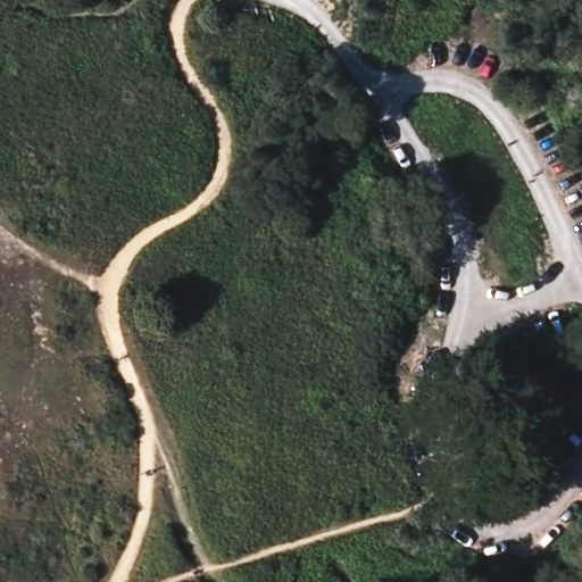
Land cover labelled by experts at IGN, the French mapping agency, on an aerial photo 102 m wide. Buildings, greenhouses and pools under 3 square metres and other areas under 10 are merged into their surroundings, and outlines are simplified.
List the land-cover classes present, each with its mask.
<instances>
[{"label":"herbaceous vegetation","instance_id":"1","mask_svg":"<svg viewBox=\"0 0 582 582\"><path fill-rule=\"evenodd\" d=\"M230 34V25L214 14V0H198L186 16L184 41L193 68L198 70L202 82L214 91L230 123L232 161L227 171V182L216 196V200H211V205H207L186 223L150 241L134 257L130 273L118 291L123 341L130 361L146 389L159 443L166 448L177 471L180 489L193 527L202 539V548L207 550L209 562L218 564L334 525L396 512L418 502L409 482V464L418 462L427 450L418 443L423 434L405 407L407 402H402L400 398L398 366L418 336L421 321L427 316V311L437 309L430 300V284L434 273L430 264L423 259L411 268L409 259L398 255L396 248L375 250L371 223L366 227H359L355 223H348L339 214H332L318 236H307L309 221L305 216L296 214L293 218L277 221L268 218L261 209L252 211L246 205L259 184L252 175V161L259 155L257 148L266 146L271 130L266 125V111L277 98L280 84L275 75L261 70L257 64L248 68H234L232 75L221 77L216 82V70L209 66V61L221 59L216 55L218 43H223ZM157 298L168 302L173 311L171 332L159 330L155 323ZM157 30L148 20L134 16L132 11L123 16H50L39 7L25 5H0V223L27 243L43 250L45 255L55 257L57 261L84 271L89 275H102L111 259L123 250V246L132 236L193 202L214 177L218 164L216 116L214 109L198 93V89L189 82L186 86H182L164 68V57L171 50L152 45ZM418 139L430 150V161H439V182L441 189L448 191L450 205L457 202L462 214L473 223L471 236L475 239V250H480L477 266L482 280L498 277L500 284H509L516 291L521 286H532L539 275L537 257L546 252V241L548 230L543 216L523 180V173L518 171L516 161L512 159L505 141L491 125V120L475 105L450 93L425 91L423 95H418L407 118ZM59 275L57 271L32 259L30 264H23V266H5V264H0V582H57L64 575L61 559L64 555H68V527H64V516L80 514V507H89L95 514L105 512V489H116L120 496L139 498V446L130 450L111 439L102 443L95 427L84 418L86 414L100 416L107 411V386L102 382L91 380L84 373L82 359L105 357L109 352L100 323L84 336V346L73 348L66 355H59L55 350L43 352L39 348V336L32 327V311L30 300H43L45 286ZM498 336L496 350L500 364V380L507 386L525 389V393L532 398L550 400L557 411V418L566 421L571 430L575 425H582V366L568 361V348L564 341L566 330L562 327L555 332L550 318L541 311H534L523 314L512 323L491 330ZM152 514L127 582H155L168 575L184 573L191 566H198V557L189 543L184 525L177 518L166 471L164 466H155ZM407 523L405 518L377 523L357 532L316 541L298 550L305 559L300 582H384V577L391 575L437 573L443 564L459 559L464 548L462 543H455L437 546L432 539L409 541L402 534V525Z\"/></svg>","mask_w":582,"mask_h":582},{"label":"brushwood","instance_id":"2","mask_svg":"<svg viewBox=\"0 0 582 582\"><path fill-rule=\"evenodd\" d=\"M100 2L116 9L125 5V0H0V5H25L39 7L50 16H70V11L89 9ZM180 0H136L132 11L134 16L148 20L157 30L152 45L171 50L164 57V68L182 86H186L189 82L177 61L171 34V18ZM334 7L332 20L339 25L343 39L357 50L375 55L386 64L407 68H411V64L418 57H434L432 45L437 41L446 43L448 39H459V43L471 45V18L475 9L473 0H330ZM216 55L221 59L209 61V66L216 70V82L221 77L232 75L234 68H248L257 64L261 70L275 75L280 84L277 98L266 111V125L271 130L266 146L257 148L259 155L252 161V175L259 184L246 205L252 211L261 209L268 218L277 221L293 218L296 214L305 216L309 221L307 236H318L332 214H339L348 223H355L359 227H366L371 223L375 250L396 248L398 255L409 259L411 268L423 259L430 264L432 250L441 248V234H448V223H452L450 205L448 191L441 189L439 182L416 175L409 180L407 189H400L396 180L380 177L366 157L355 155L352 143H359L366 127L382 118V109L375 95H366V91L359 86H350L348 75L341 77V70L334 66V57L330 52L318 55L309 41L298 39V34L277 30L268 23L252 20L248 16H239L230 25V34L223 43H218ZM100 293L86 289L77 280L59 275L45 286L43 300H30L32 311H41V323L48 327V339L55 350L59 355H66L73 348L84 346V336L100 323ZM155 323L159 330L171 332L173 311L168 302L157 298ZM555 332L562 327L566 330L575 321L582 323V302H566L564 309H559V316L550 318ZM498 336L491 330L482 332L468 348H446L430 350L423 359V368L418 375L427 382L434 380V375L446 377V368H455V375H462V371L473 373V364L480 359V352H484L487 348L496 350ZM84 373L91 380L102 382L107 386V411L100 416L86 414L84 418L95 427L102 443L111 439L130 450L139 446L143 427L139 409L132 400L134 393L132 386L123 380L116 359L109 352L105 357L82 359ZM441 459V455L427 450L418 462L409 464V482L418 502L423 509L405 518L407 523L402 525V534L409 541L432 539L437 546L455 543L450 539V530L464 525L466 516L455 507L446 505L437 493V487L427 480V466ZM139 514V498L120 496L116 489H105V512L95 514L89 507H80V514L64 516V527H68V555H64L61 559L64 575L57 582H107L114 568L118 566L120 555L132 537ZM489 555L464 548L459 559L443 564L437 573L441 582H484L475 577V573ZM305 559L298 550L280 552L252 564L214 573L211 577L216 582H300Z\"/></svg>","mask_w":582,"mask_h":582},{"label":"deciduous trees","instance_id":"3","mask_svg":"<svg viewBox=\"0 0 582 582\"><path fill-rule=\"evenodd\" d=\"M475 9L471 18V45H482L500 57L498 73H489L487 86L491 95L498 102H502L514 116L521 114L527 118L532 114H543L552 125L550 136L543 139L555 146V157L550 161L566 168L571 175L575 173L582 177V0H473ZM564 341L568 348V361L582 366V323L575 321L566 330ZM480 359L473 364V373L462 371V375H455V368H446V377L434 375V380L427 382L418 375L416 391L407 402L405 407L423 434L418 443L427 450L441 455V459L427 466V480L437 487V493L446 505L455 507L466 516L464 525H471L477 532L484 525L514 523L527 516L530 512L548 507L552 500H557L564 493L559 484L571 471V430L566 421L557 418V411L550 400L532 398L525 393V389L507 386L500 380V364L496 350L487 348L484 352H480ZM562 537L550 539L548 543L552 550L559 552V557L550 566L543 564L537 571L532 564L502 562L498 555H489L475 573V577L484 582H582V500L568 507V521L559 525ZM384 582H441L437 573L391 575L384 577Z\"/></svg>","mask_w":582,"mask_h":582},{"label":"pervious surface","instance_id":"4","mask_svg":"<svg viewBox=\"0 0 582 582\"><path fill-rule=\"evenodd\" d=\"M136 0H125V5L116 9L100 2L89 9L70 11V16H123L132 11ZM198 0H180L171 18V34L177 61L189 82L198 89V93L214 109L216 116L218 164L214 177L193 202L132 236L123 246V250L111 259L102 275H89L84 271L57 261L55 257L45 255L43 250L27 243L0 223V255H2V257H11V255H16V252L20 250V252L30 255L32 259L57 271L59 275L77 280L86 289L100 293V323L109 352L116 359L123 380L132 386L134 393L132 400L139 409L143 427L139 446V514L132 537L120 555L118 566L114 568L107 582H127L152 514L155 466H164L166 471L177 518L184 525L189 543L198 557V566H191L184 573L168 575L155 582H216L211 577L214 573L252 564L280 552L298 550L316 541L357 532L377 523L405 518L423 509L418 502L396 512L334 525L218 564L209 562L207 550L202 548V539L193 527L180 489L177 471L166 448L159 443L146 389L130 361L123 341L118 291L130 273L134 257L150 241L186 223L207 205H211V200H216V196L227 182V171L232 161L230 123L214 91L202 82L198 70L193 68L184 41L186 16ZM434 57V61L446 70L457 68L462 75L480 80L487 86L489 73H498L500 57L482 45H471L459 43V39H448L446 43L437 41L432 45ZM516 123L525 125L530 134L539 141V148L534 150L539 159V171L548 177L559 207L568 216H573L582 246V177L575 173L571 175L566 168L550 161L555 157V146L543 139L550 136L552 125L543 114H532L527 118L521 114L514 116ZM434 273L430 284V300L437 309L427 311V316L421 321L418 336L398 366L400 398L402 402H407L416 391L418 375L423 368V359L430 350L446 348L448 318L455 305L457 275L462 271L452 261V239L448 234H441V248L432 250L430 264ZM552 264H557L550 243L546 241V252L537 257L539 275L548 271ZM571 471L559 484L564 493L557 500H552L548 507L530 512L527 516L514 523L484 525L477 532L471 525H464L450 530V539L455 543H462L464 548L489 555H498L502 562L532 564L537 571L543 564L550 566L559 557V552L552 550L548 543L550 539L562 537L559 525L568 521V507L582 500V425H575L571 430Z\"/></svg>","mask_w":582,"mask_h":582},{"label":"impervious surface","instance_id":"5","mask_svg":"<svg viewBox=\"0 0 582 582\"><path fill-rule=\"evenodd\" d=\"M334 7L330 0H214V14L230 25L239 16H248L252 20L268 23L277 30L298 34V39L309 41L318 55L330 52L334 57V66L341 70V77L348 75L350 86H359L366 91V95H375L382 109V118L366 127L359 143H352L355 155L366 157L380 177L396 180L400 189H407L409 180L416 175L439 182V161H430V150L418 139L407 118L418 95H423L425 91L450 93L475 105L491 120V125L505 141L512 159L516 161L518 171L523 173V180L543 216L548 230L546 241L550 243L557 264H552L548 271L539 275L532 286H521L516 291L509 284H500L498 277L482 280L477 266L480 250H475V239L471 236L473 223L462 214L457 202L450 205L452 223H448V234L452 239V261L462 271L457 275L455 305L448 318L446 348H468L482 332L491 330L512 323L523 314L534 311H541L550 318L559 316V309H564L566 302H582V246L573 216H568L559 207L548 177L539 171V159L534 150L539 148V141L530 134L525 125L516 123L514 116L502 102H498L491 95L487 86L480 80L462 75L457 68L446 70L434 61V57H418L411 64V68H407L386 64L375 55L357 50L343 39L339 25L332 20Z\"/></svg>","mask_w":582,"mask_h":582},{"label":"bare soil","instance_id":"6","mask_svg":"<svg viewBox=\"0 0 582 582\"><path fill-rule=\"evenodd\" d=\"M32 259L30 255L20 252V250L16 252V255H11V257H2V255H0V264H5V266H23V264H30ZM32 327L39 336V348L43 352L55 350L48 339V327L41 323V311H32Z\"/></svg>","mask_w":582,"mask_h":582}]
</instances>
